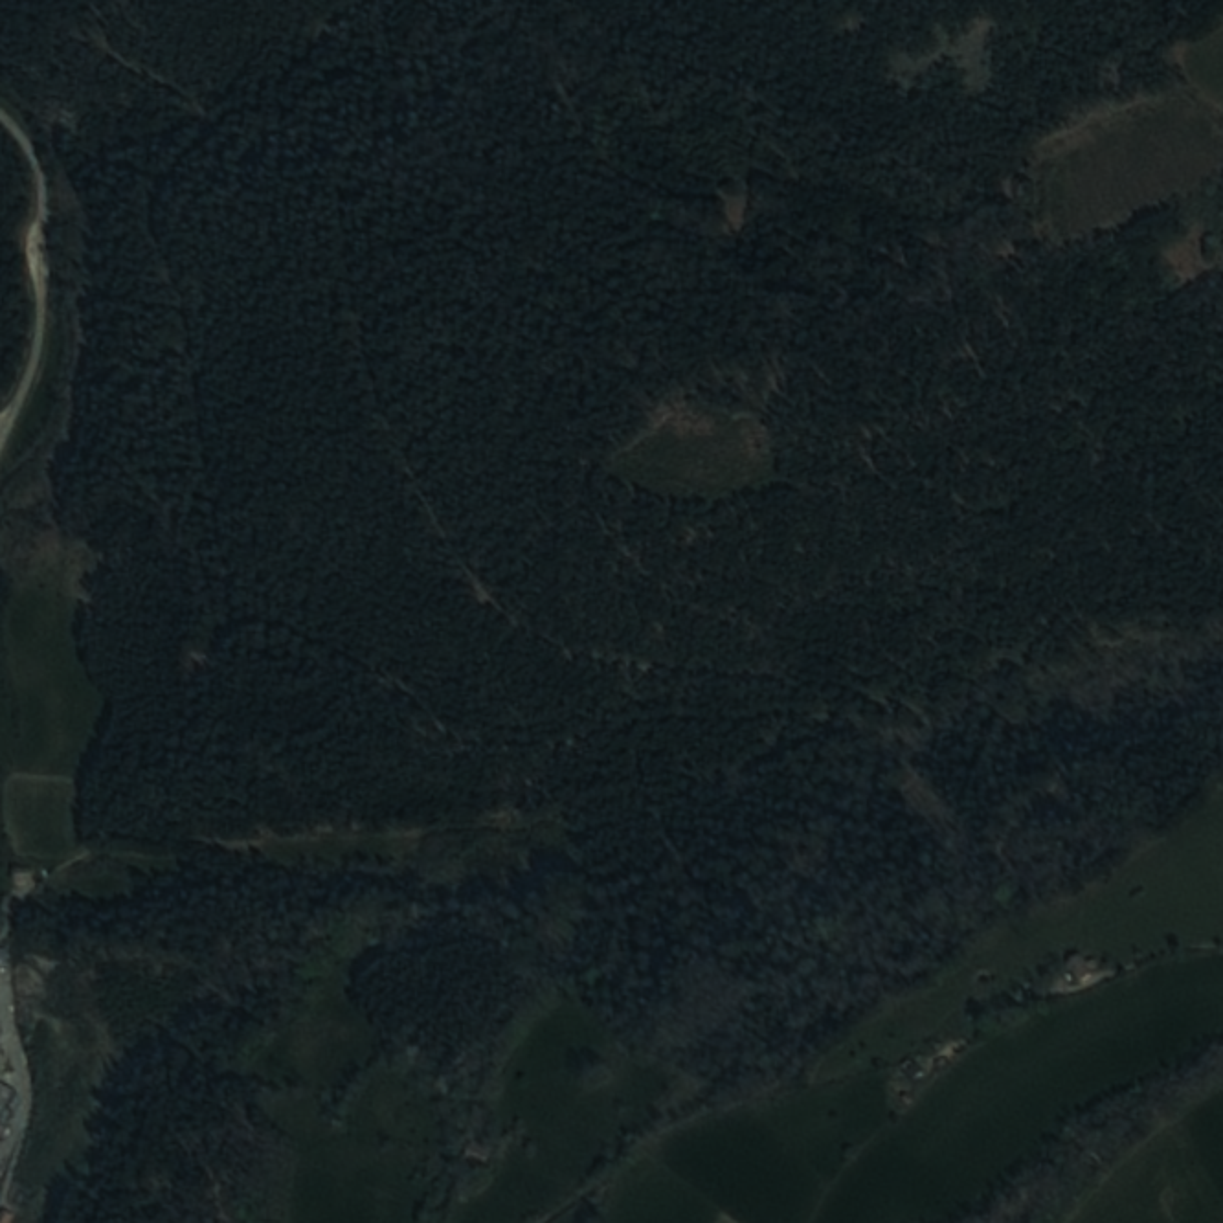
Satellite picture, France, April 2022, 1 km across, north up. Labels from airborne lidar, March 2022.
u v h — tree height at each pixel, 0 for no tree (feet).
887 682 74
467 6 61
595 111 67
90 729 0
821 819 102
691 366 83
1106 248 62
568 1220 0
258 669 86
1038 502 68
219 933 72
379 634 77
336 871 40
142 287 85
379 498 87
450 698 75
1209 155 0
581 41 70
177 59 53
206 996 91
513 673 75
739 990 112
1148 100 74
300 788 52
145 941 73
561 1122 0
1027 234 78
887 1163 0
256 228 73
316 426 90
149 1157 104
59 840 0
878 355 74
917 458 76
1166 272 51
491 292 98
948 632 86
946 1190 0
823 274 59
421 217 89
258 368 77
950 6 45
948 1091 0
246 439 71
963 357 76
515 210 77
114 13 78
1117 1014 0
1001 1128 0
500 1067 48
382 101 78
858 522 67
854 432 62
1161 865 0
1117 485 60
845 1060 0
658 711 83
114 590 89
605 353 91
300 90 102
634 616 86
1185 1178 0
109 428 89
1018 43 69
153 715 89
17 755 0
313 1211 0
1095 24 89
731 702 88
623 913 91
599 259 91
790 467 77
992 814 92
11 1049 0
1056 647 84
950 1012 0
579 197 88
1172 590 104
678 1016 115
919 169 89
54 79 48
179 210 79
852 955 60
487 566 96
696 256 85
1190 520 71
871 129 71
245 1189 83
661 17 67
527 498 82
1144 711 36
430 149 73
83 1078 0
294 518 72
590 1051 0
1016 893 94
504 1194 0
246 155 80
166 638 75
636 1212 0
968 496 76
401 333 81
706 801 102
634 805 94
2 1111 0
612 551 62
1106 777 80
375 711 86
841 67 61
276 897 59
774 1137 0
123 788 71
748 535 73
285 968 88
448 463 78
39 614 0
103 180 103
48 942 47
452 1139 61
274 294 81
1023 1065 0
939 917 110
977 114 81
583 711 77
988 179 65
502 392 94
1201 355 74
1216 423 76
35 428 0
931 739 80
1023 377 69
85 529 58
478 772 77
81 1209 104
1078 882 46
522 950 77
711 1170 0
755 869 126
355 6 77
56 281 38
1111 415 87
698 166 32
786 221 70
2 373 106
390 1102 0
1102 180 0
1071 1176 85
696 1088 70
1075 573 85
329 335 81
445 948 90
